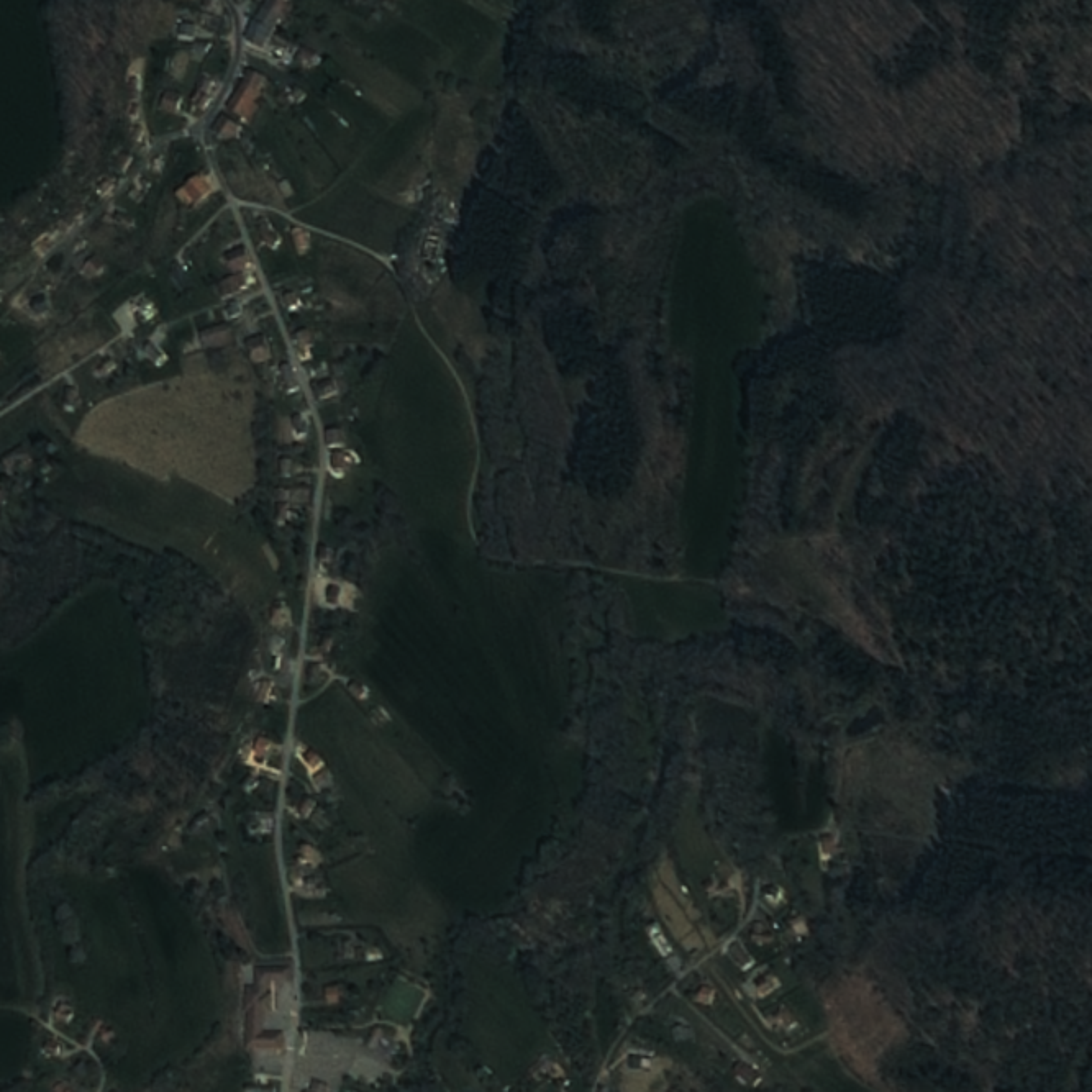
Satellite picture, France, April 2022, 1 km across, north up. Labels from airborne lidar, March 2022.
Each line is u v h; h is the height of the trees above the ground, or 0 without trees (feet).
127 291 0
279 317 0
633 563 73
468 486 0
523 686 0
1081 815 95
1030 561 93
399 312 0
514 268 90
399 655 0
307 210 0
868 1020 0
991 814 112
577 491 63
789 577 0
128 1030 0
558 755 0
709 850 0
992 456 98
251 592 0
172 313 0
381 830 0
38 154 0
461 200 0
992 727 82
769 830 59
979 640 60
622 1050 0
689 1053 0
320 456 0
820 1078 0
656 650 61
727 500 0
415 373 0
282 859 0
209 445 0
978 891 59
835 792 42
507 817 0
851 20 0
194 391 0
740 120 111
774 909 0
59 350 0
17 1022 0
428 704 0
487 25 0
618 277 27
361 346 0
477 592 0
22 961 0
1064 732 69
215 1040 19
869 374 123
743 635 51
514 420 54
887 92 79
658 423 85
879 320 83
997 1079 71
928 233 71
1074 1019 90
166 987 0
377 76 0
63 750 0
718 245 0
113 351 0
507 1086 0
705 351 0
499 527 56
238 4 0
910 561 51
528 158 86
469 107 0
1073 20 57
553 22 65
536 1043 0
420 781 0
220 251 0
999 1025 69
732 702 74
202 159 0
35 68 0
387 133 0
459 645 0
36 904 27
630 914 30
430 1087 55
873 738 0
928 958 63
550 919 0
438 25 0
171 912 0
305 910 0
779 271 0
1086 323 96
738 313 0
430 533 0
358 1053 0
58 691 0
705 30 0
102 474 0
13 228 48
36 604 0
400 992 0
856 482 0
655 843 78
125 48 0
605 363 83
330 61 35
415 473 0
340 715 0
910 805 0
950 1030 60
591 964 70
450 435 0
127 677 0
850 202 69
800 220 40
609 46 49
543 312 74
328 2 0
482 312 0
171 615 59
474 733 0
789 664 107
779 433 88
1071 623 88
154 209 0
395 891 0
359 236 0
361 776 0
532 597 0
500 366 56
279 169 0
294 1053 0
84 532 37
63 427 0
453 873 0
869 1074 0
